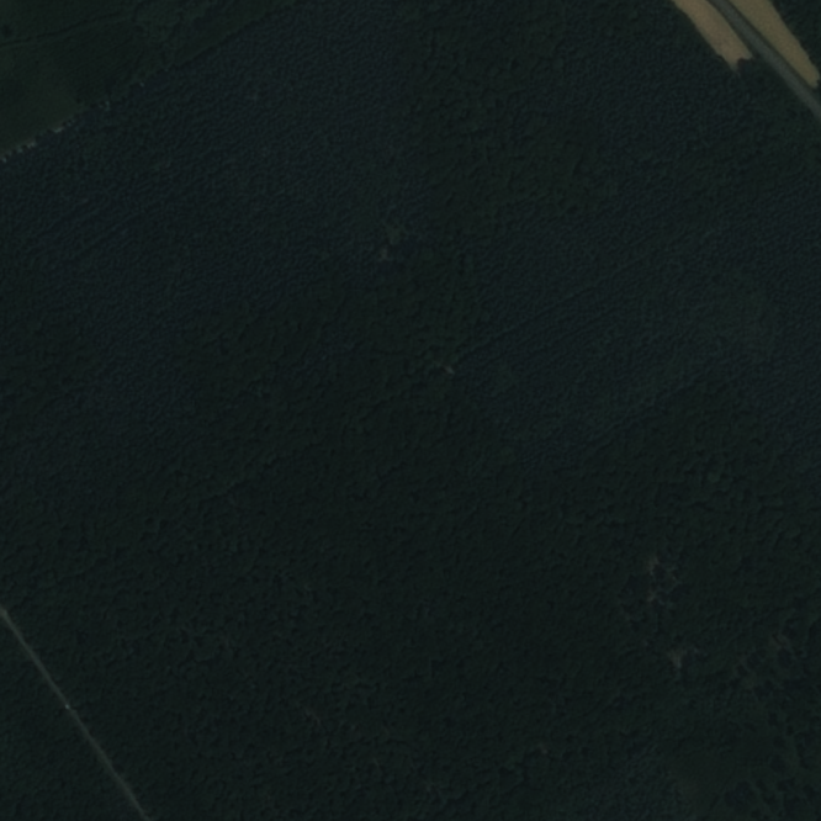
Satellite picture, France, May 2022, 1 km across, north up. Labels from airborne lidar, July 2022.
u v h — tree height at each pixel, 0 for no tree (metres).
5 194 23
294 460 28
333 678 28
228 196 25
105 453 24
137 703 25
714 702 18
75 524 27
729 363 24
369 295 29
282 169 23
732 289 26
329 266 29
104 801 26
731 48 0
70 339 28
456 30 29
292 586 26
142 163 25
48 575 22
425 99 28
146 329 24
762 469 30
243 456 26
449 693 24
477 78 30
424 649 27
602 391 22
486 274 20
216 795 22
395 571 26
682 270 22
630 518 28
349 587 26
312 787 23
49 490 25
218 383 26
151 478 25
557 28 29
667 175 20
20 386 31
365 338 26
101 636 29
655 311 28
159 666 26
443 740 26
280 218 21
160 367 23
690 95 27
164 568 24
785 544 30
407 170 29
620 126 24
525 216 25
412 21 26
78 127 18
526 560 26
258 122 23
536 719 21
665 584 25
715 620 27
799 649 29
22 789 23
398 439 30
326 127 23
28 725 26
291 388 27
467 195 27
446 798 22
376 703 25
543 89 23
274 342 29
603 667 25
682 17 20
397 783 27
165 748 27
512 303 16
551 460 26
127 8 13
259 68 24
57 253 24
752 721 16
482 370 25
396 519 27
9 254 24
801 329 25
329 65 20
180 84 18
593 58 25
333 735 26
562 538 32
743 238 29
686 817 23
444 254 28
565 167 30
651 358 27
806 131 22
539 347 24
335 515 29
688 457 28
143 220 29
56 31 7
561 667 28
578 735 28
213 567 22
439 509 28
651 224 24
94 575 25
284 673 28
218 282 22
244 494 24
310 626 25
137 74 13
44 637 25
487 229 27
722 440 29
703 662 25
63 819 27
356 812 25
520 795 27
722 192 23
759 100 26
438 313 29
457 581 27
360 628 28
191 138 26
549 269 22
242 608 24
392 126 23
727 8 0
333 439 29
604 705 26
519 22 30
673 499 25
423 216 26
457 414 27
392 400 28
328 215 22
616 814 22
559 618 25
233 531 24
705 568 28
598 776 18
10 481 26
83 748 26
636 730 14
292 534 27
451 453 28
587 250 22
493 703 25
